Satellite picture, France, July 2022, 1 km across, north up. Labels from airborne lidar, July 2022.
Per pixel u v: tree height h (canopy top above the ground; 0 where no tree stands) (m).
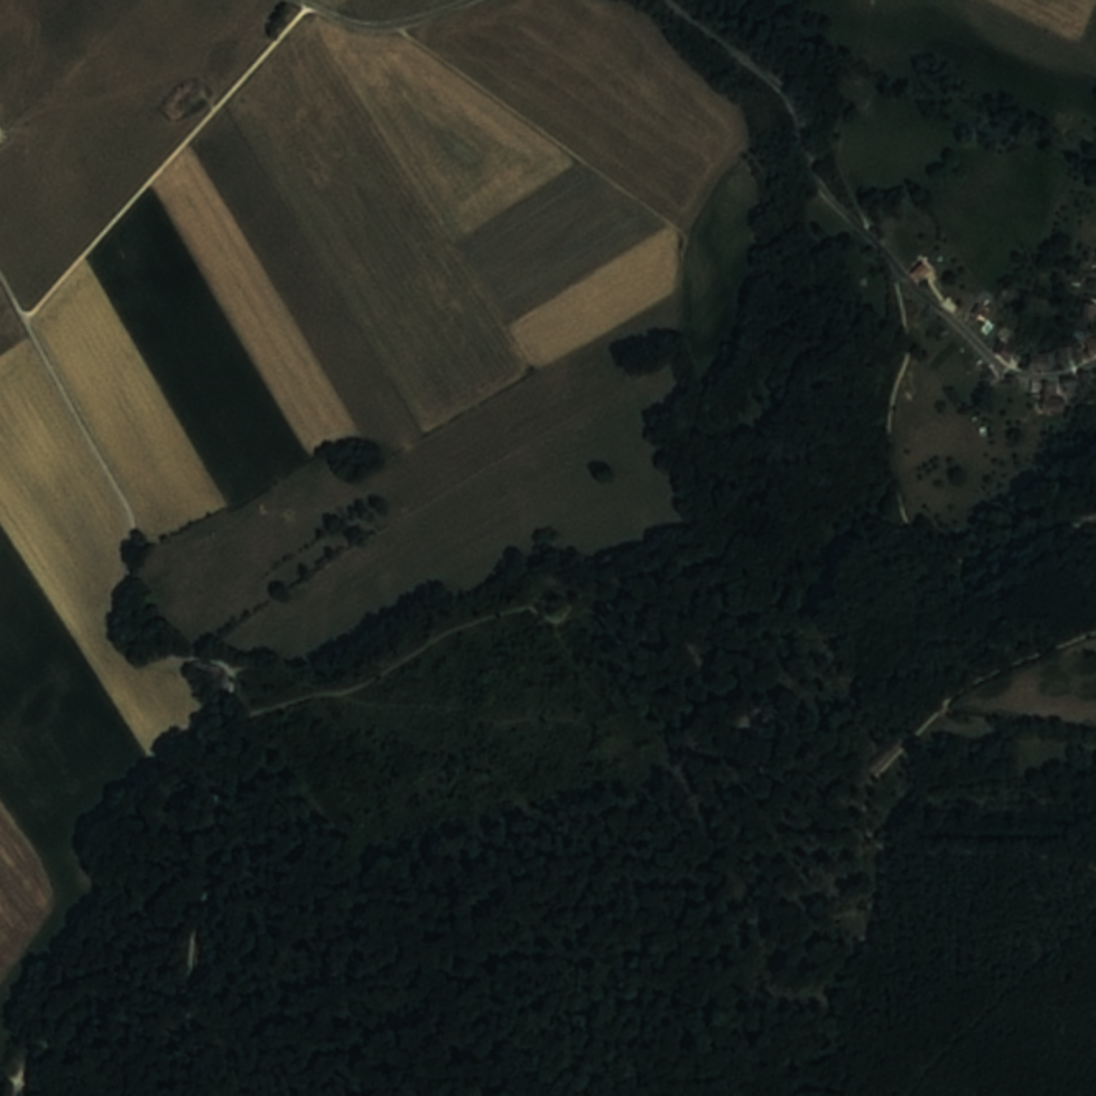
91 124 0
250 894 20
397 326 0
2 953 0
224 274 0
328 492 0
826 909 30
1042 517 20
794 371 13
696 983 25
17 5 0
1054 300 8
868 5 0
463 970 32
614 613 28
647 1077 22
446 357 0
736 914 29
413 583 0
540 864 28
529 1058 18
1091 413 10
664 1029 24
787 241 23
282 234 0
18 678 0
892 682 17
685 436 22
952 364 0
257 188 0
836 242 16
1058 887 16
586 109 0
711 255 0
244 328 0
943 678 18
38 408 0
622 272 0
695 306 0
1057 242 14
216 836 29
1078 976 15
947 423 0
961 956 15
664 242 0
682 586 30
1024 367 7
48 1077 23
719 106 0
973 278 0
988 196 0
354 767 10
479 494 0
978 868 18
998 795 9
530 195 0
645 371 22
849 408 16
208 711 14
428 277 0
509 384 0
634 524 0
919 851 19
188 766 26
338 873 27
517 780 7
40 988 21
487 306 0
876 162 0
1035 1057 14
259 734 26
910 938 17
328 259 0
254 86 0
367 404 0
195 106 0
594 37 0
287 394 0
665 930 27
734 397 33
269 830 26
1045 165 0
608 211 0
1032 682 0
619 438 0
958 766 21
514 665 7
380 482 0
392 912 32
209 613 0
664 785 26
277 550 0
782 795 29
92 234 0
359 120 0
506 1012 22
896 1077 15
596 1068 20
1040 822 10
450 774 12
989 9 0
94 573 0
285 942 28
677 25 16
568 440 0
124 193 0
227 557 0
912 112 0
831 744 33
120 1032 32
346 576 0
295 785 32
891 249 0
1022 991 14
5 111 0
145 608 15
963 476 14
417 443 0
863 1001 9
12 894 0
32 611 0
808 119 21
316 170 0
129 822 30
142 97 0
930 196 12
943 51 0
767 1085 25
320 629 0
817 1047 21
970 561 11
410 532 0
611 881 20
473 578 0
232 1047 22
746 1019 25
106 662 0
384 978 22
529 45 0
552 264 0
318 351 0
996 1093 16
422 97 0
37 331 0
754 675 29
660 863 26
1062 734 15
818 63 18
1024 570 21
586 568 25
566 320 0
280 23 12
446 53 0
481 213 0
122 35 0
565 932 22
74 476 0
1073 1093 14
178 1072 22
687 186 0
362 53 0
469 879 24
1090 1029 14
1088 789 20
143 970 30
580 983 20
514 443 0
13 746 0
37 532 0
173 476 0
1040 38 0
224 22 0
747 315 17
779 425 26
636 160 0
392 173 0
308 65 0
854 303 22
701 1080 19
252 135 0
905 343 24
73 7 0
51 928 0
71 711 0
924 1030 15
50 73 0
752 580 28
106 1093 25
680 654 30
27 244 0
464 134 0
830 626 28
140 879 30
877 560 23
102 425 0
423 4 0
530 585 18
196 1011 29
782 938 27
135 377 0
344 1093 28
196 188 0
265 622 0
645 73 0
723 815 29
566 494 0
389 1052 30
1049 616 22
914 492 0
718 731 34
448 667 7
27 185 0
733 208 0
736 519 16
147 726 0
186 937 16
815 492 30
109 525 0
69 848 0
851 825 31
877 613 23
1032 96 0
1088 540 22
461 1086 28
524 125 0
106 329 0
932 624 27
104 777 0
